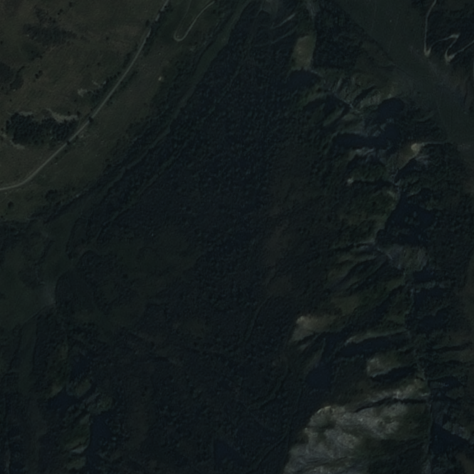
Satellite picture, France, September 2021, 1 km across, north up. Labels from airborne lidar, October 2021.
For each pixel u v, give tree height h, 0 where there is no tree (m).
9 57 0
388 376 0
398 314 6
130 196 7
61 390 0
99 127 0
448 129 0
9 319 0
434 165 6
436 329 6
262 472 6
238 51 7
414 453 11
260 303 0
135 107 0
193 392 8
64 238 0
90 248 0
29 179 0
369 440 8
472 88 0
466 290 0
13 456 8
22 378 0
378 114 0
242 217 10
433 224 13
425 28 0
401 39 0
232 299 8
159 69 0
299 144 8
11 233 7
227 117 11
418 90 0
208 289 8
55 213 8
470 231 6
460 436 0
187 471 0
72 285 0
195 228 6
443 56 0
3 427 6
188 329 0
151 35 9
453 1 0
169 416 8
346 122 0
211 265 8
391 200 7
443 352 0
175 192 7
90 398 0
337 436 0
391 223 11
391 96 0
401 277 7
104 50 0
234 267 6
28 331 0
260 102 7
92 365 6
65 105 0
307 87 9
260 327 8
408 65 0
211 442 7
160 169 7
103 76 0
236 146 8
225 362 8
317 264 9
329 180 7
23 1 0
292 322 0
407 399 0
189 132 7
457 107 0
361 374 7
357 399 0
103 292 0
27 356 0
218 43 0
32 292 0
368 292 7
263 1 0
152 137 6
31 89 0
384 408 0
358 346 0
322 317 8
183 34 0
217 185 7
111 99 7
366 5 0
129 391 0
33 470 0
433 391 0
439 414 0
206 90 9
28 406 0
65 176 0
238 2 0
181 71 8
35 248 0
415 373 11
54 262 0
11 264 0
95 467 7
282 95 7
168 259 0
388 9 0
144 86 0
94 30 0
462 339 0
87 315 0
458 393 0
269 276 0
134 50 5
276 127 6
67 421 8
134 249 0
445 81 0
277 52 6
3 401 6
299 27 7
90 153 0
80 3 0
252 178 6
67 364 7
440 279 6
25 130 15
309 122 11
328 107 5
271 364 6
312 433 0
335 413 0
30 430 0
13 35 0
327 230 6
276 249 0
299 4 8
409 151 0
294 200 0
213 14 7
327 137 13
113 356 0
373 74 0
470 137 0
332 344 10
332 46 6
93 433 0
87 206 0
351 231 9
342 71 7
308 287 7
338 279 0
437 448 0
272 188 0
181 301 7
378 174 12
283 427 7
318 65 6
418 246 8
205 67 0
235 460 6
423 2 7
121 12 0
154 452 0
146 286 0
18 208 0
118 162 6
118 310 0
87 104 0
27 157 0
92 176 0
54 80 0
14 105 0
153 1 0
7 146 0
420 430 11
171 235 0
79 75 0
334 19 17
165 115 6
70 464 12
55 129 15
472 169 0
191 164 10
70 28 0
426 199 6
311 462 0
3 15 0
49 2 0
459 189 5
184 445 0
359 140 0
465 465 0
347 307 0
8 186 0
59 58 0
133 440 0
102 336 0
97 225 0
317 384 0
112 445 6
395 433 15
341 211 0
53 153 0
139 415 0
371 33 0
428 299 7
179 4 0
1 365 0
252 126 6
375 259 0
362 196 6
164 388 6
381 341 0
